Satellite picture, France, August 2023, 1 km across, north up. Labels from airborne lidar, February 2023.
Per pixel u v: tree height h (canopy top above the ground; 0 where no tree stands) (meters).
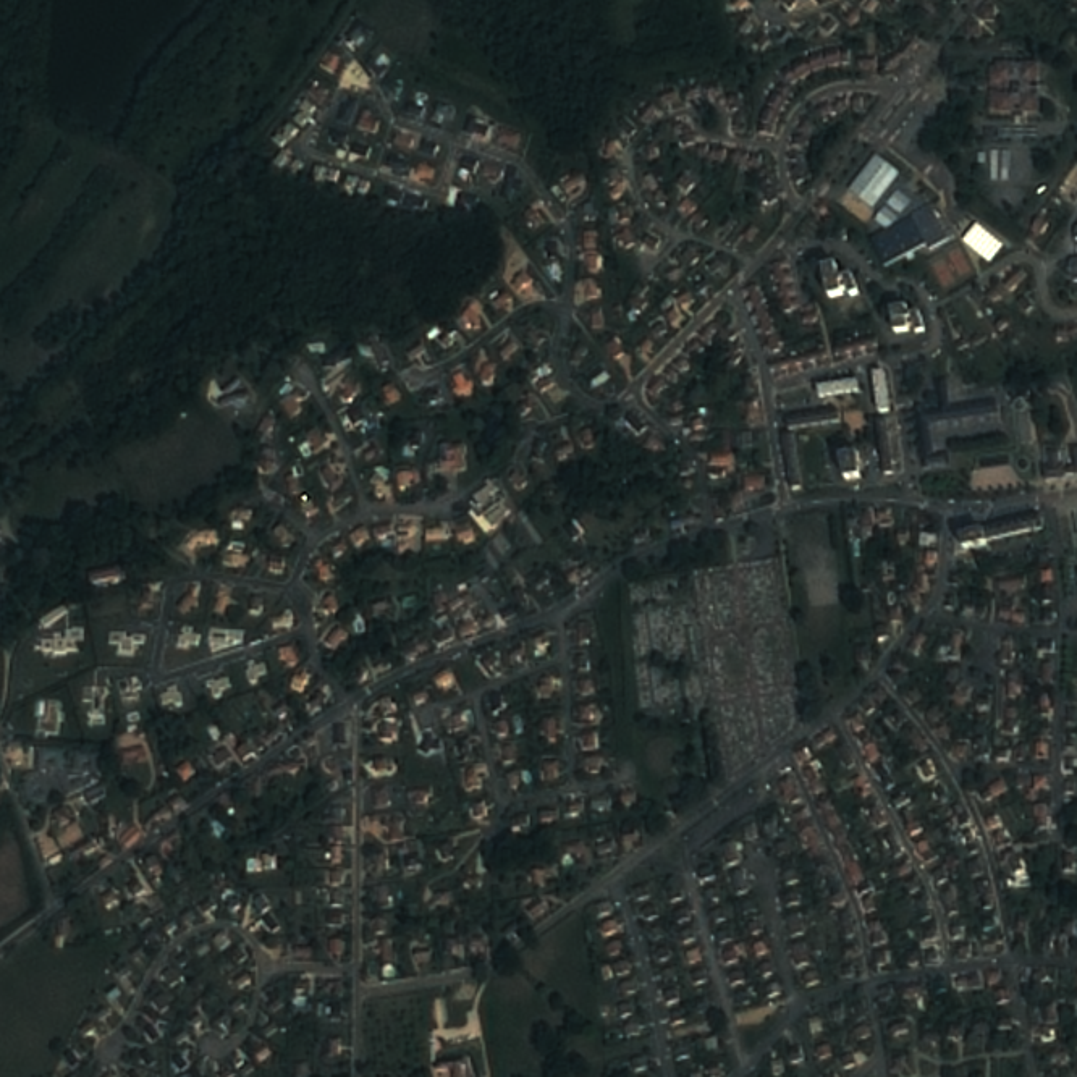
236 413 0
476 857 0
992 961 0
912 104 0
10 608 22
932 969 0
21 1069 0
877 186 0
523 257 0
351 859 0
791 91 0
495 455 9
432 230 19
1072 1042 9
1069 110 0
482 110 0
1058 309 0
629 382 0
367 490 0
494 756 0
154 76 16
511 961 22
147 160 6
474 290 18
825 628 0
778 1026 0
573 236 0
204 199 21
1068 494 0
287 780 7
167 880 6
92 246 0
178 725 19
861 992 9
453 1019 0
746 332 0
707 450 10
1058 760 0
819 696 22
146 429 24
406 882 0
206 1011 8
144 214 0
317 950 11
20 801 0
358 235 15
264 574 0
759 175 7
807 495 0
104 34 0
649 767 0
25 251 0
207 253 18
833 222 12
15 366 0
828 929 0
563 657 0
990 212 0
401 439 13
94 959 0
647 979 0
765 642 0
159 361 10
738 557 0
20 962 0
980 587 8
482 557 8
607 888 0
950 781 0
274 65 0
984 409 0
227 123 7
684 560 16
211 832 8
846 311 0
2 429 17
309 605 0
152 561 26
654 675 0
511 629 0
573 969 0
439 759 0
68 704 0
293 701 11
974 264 0
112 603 0
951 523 0
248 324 18
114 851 10
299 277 18
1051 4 9
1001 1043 17
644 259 0
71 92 0
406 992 0
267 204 18
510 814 6
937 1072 0
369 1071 18
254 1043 7
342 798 0
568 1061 15
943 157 14
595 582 0
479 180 0
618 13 0
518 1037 0
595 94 15
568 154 15
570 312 0
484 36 9
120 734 8
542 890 12
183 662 0
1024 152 0
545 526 0
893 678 13
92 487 0
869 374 0
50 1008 0
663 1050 0
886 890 8
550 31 12
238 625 7
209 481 0
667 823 19
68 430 0
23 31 15
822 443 0
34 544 21
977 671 11
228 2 11
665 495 7
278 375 26
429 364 0
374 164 0
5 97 22
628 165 0
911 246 0
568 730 0
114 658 0
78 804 0
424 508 0
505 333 0
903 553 6
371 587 7
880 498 0
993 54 0
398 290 20
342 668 17
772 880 0
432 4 6
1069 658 9
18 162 19
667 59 8
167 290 14
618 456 19
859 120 8
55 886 7
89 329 7
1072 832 11
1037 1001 10
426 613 8
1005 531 0
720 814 0
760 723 0
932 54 0
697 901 0
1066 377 0
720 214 0
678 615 0
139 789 17
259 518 8
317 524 0
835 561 0
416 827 0
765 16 0
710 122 11
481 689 0
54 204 0
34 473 14
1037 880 11
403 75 0
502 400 16
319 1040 5
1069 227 0
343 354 0
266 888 0
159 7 0
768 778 0
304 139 0
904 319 0
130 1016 0
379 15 0
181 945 0
